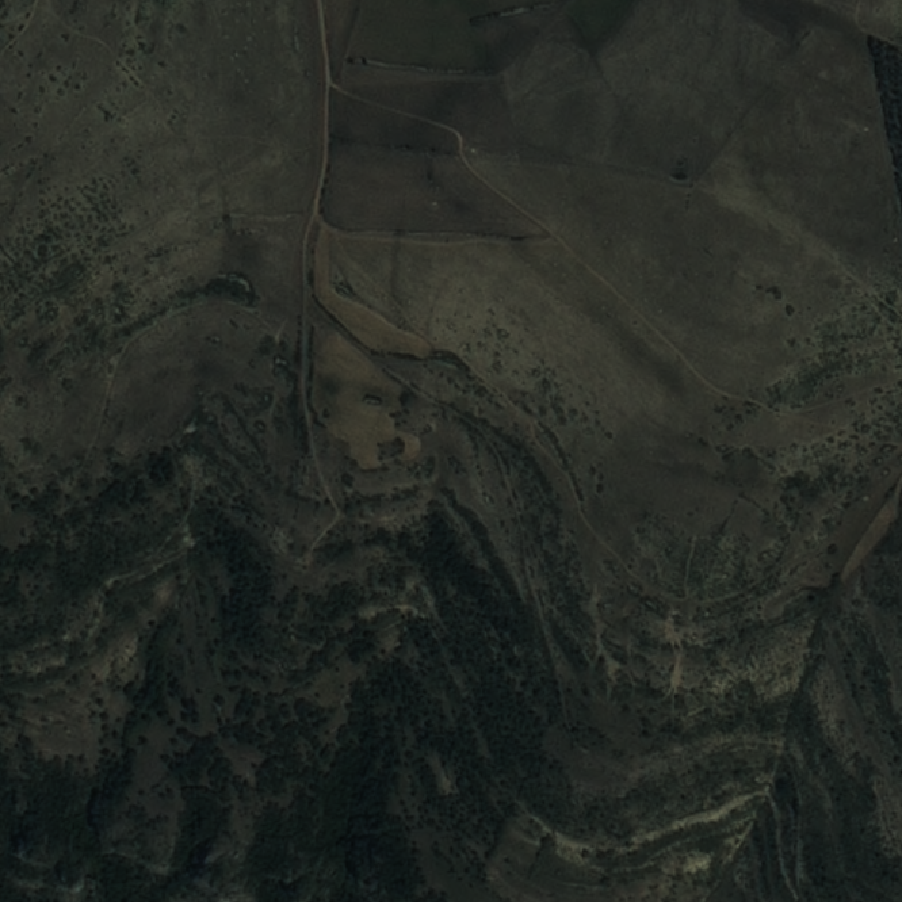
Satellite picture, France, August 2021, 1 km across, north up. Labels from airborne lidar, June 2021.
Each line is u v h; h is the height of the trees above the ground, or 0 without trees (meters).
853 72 0
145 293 0
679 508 0
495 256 0
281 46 0
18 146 0
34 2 0
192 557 7
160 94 0
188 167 0
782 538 0
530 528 0
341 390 0
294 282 0
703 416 0
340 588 6
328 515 0
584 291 0
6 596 8
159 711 8
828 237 0
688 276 0
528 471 0
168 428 0
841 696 0
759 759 0
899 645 0
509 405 0
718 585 0
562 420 0
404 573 6
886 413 0
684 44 0
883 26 0
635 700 0
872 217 0
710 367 0
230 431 0
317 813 8
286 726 7
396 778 10
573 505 0
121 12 0
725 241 0
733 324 0
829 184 0
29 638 6
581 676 0
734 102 0
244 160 0
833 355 0
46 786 7
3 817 7
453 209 0
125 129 0
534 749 6
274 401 0
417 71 0
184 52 0
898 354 0
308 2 0
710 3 0
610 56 0
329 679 0
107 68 0
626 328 0
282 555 0
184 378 0
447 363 0
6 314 0
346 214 0
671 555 0
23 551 11
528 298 0
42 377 0
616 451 0
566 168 0
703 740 0
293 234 0
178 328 0
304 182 0
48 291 0
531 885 0
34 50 0
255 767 8
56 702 0
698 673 0
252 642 6
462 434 0
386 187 0
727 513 0
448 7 0
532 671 6
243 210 0
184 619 0
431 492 0
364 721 10
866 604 0
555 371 0
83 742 0
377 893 7
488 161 0
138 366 0
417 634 8
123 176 0
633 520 0
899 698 0
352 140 0
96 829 37
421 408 0
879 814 0
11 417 0
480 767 9
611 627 0
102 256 0
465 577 7
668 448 0
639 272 0
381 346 0
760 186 0
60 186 0
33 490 6
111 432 0
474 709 7
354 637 9
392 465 0
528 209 0
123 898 7
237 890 6
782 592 0
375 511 0
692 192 0
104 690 0
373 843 10
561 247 0
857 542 0
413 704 10
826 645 0
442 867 0
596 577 0
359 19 0
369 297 0
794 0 0
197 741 9
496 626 6
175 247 0
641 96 0
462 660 8
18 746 6
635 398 0
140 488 9
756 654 0
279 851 11
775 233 0
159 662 6
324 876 9
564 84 0
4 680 8
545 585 0
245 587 8
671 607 0
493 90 0
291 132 0
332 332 0
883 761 0
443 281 0
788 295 0
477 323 0
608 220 0
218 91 0
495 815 7
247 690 7
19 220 0
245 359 0
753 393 0
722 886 0
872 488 0
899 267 0
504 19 0
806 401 0
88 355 0
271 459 0
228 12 0
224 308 0
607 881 8
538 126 0
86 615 0
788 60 0
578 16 0
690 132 0
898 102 12
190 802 10
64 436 0
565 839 0
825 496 0
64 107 0
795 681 0
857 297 0
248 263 0
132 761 9
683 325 0
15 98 0
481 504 0
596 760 0
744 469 0
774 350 0
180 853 10
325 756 12
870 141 0
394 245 0
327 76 0
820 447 0
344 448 0
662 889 0
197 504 7
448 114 0
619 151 0
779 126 0
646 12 0
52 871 9
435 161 0
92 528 8
